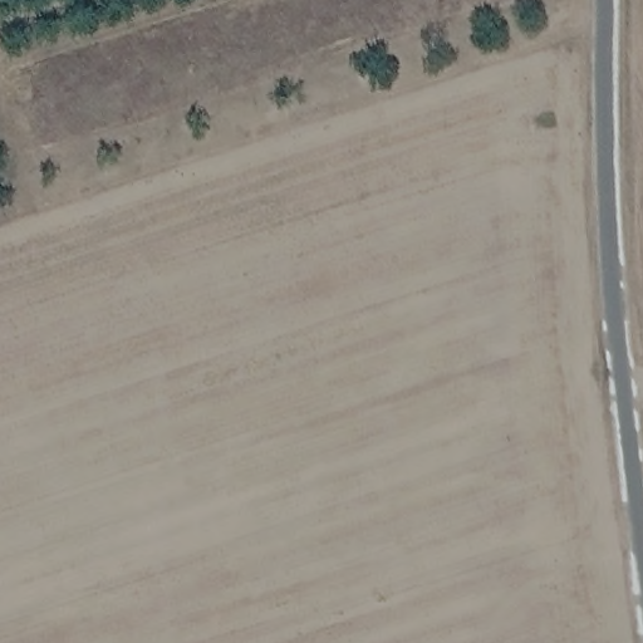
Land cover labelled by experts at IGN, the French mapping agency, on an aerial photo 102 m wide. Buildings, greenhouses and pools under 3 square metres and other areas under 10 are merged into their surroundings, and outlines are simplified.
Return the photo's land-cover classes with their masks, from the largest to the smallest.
<instances>
[{"label":"agricultural land","instance_id":"1","mask_svg":"<svg viewBox=\"0 0 643 643\"><path fill-rule=\"evenodd\" d=\"M620 166L625 256L618 259L625 352L630 349L635 354V364L643 367V0H620ZM25 68L18 55H10L0 48V85L5 83L8 73ZM505 60L485 70L467 73L452 80H442L437 73H435L437 83L422 93L402 98H389L384 93L382 100L357 113H344L329 121H319L314 126H299L286 133L269 136L261 143L229 151L219 158L191 161L151 181H138L133 186L93 196L83 203H73L50 213H38L0 226V643H643V605L628 502L620 497L610 417V404L618 402L603 296L595 88L585 93L580 90V80L585 78V63L575 53H538L530 58L510 60L502 50H497Z\"/></svg>","mask_w":643,"mask_h":643},{"label":"herbaceous vegetation","instance_id":"2","mask_svg":"<svg viewBox=\"0 0 643 643\"><path fill-rule=\"evenodd\" d=\"M116 0H0V30L5 35H13L18 30H25L23 18H38L40 23L60 20L58 8H65L73 15L88 8L100 15ZM480 5H492L505 18L510 43L502 50L510 60L530 58L538 53H575L585 63V78L580 80V90L585 93L595 88L598 0H543L548 15L545 28L540 33H525L515 13V0H173L151 13H133V18H126L116 25H100L95 33H58L55 40H35L28 50H20L18 55L25 68L8 73L5 83L0 85V141L8 146L3 183L13 186V201L0 206V226L38 213H50L73 203H83L93 196L133 186L138 181H151L191 161L219 158L229 151L261 143L269 136L286 133L299 126H314L319 121H329L344 113H357L382 100L384 93L389 98H402L422 93L437 83L435 73L424 70V55L442 40H447L457 50V58L437 73L442 80H452L467 73L485 70L505 60L497 50H480L472 43V13ZM372 43H384L387 53H392L399 63L397 78L389 88L372 85L369 75H362L352 63V53H359ZM193 105L206 111L208 128L203 138H193L186 123V113Z\"/></svg>","mask_w":643,"mask_h":643},{"label":"impervious surface","instance_id":"3","mask_svg":"<svg viewBox=\"0 0 643 643\"><path fill-rule=\"evenodd\" d=\"M595 88L603 296L618 402L628 502L643 605V450H638L633 427L630 369L625 352L618 259L613 188V0H598Z\"/></svg>","mask_w":643,"mask_h":643},{"label":"deciduous trees","instance_id":"4","mask_svg":"<svg viewBox=\"0 0 643 643\"><path fill-rule=\"evenodd\" d=\"M173 0H116L100 15L88 8L73 15L65 8H58L60 20L40 23L38 18H23L25 30H18L13 35H5L0 30V48L10 55H18L20 50H28L35 40H55L58 33H95L100 25H116L126 18H133V13H151ZM515 13L525 33H540L545 28L548 15L543 0H515ZM472 43L480 50H502L510 43L505 18L492 5H480L472 13ZM457 58V50L447 40H442L424 55V70L435 73H437ZM352 63L362 75H369L372 85L389 88L397 78L399 63L392 53H387L384 43H372L359 53H352ZM186 123L193 138H203L208 128L206 111L193 105L186 113ZM8 146L0 141V206L13 201V186L3 183Z\"/></svg>","mask_w":643,"mask_h":643},{"label":"pervious surface","instance_id":"5","mask_svg":"<svg viewBox=\"0 0 643 643\"><path fill-rule=\"evenodd\" d=\"M613 188L618 259L625 256L620 166V0H613ZM630 369L633 427L638 450H643V367L635 364V354L630 349L625 352ZM610 417L620 497L628 502L618 402L610 404Z\"/></svg>","mask_w":643,"mask_h":643}]
</instances>
